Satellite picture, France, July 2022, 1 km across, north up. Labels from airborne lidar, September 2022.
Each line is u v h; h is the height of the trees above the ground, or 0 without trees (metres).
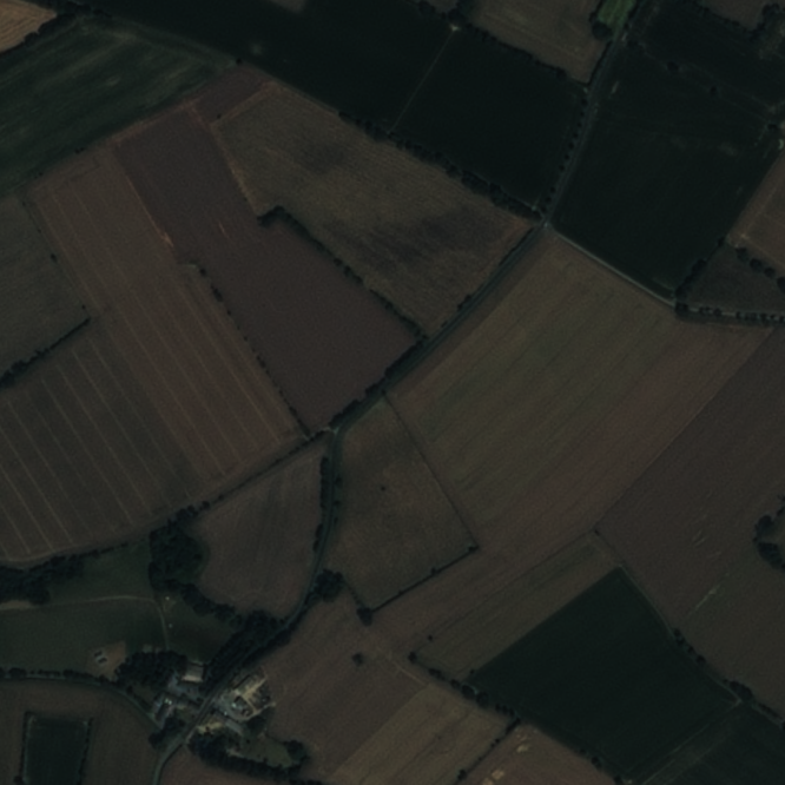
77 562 11
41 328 0
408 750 0
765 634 0
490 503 0
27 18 0
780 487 0
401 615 0
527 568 0
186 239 0
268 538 0
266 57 0
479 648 0
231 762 13
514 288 0
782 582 0
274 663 0
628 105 0
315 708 0
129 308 0
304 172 0
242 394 0
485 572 0
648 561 0
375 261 0
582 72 0
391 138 7
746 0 0
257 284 0
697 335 0
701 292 0
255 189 0
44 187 0
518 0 0
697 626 0
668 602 0
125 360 0
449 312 0
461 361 0
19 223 0
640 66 0
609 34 18
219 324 0
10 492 0
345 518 0
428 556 0
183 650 0
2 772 0
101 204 0
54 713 0
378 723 0
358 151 0
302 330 0
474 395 0
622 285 0
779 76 0
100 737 0
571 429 0
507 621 0
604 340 0
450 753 0
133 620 0
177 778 0
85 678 11
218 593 0
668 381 0
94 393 0
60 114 0
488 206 0
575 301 0
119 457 0
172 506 0
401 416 0
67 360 0
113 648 0
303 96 0
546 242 0
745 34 9
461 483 0
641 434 0
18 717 0
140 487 0
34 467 0
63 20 14
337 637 0
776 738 0
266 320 0
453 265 0
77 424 0
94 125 0
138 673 18
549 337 0
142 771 0
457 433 0
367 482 0
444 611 0
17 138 0
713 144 0
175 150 0
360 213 0
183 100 0
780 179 0
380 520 0
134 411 0
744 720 0
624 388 0
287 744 7
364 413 0
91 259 0
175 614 0
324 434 8
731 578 0
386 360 0
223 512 0
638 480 0
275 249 0
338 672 0
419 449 0
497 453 0
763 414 0
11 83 0
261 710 0
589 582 0
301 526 0
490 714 0
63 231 0
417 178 0
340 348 0
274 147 0
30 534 0
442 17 9
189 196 0
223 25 0
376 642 0
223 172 0
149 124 0
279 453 0
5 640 0
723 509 0
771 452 0
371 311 0
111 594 0
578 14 0
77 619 0
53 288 0
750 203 0
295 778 9
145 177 0
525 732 0
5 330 0
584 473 0
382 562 0
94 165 0
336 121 0
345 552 0
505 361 0
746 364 0
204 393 0
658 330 0
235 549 0
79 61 0
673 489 0
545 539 0
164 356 0
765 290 0
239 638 11
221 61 0
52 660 0
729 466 0
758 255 0
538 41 0
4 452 0
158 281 0
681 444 0
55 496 0
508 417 0
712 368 0
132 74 0
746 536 0
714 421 0
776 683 0
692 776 0
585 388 0
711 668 0
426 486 0
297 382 0
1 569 8
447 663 0
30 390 0
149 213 0
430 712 0
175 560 11
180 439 0
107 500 0
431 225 0
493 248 0
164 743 15
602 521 0
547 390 0
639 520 0
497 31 0
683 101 0
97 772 0
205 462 0
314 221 0
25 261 0
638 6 5
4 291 0
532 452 0
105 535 0
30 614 0
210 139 0
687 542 0
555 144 0
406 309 0
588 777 0
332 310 0
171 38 0
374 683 0
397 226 0
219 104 0
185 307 0
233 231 0
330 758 0
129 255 0
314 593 5
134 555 0
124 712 0
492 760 0
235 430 0
